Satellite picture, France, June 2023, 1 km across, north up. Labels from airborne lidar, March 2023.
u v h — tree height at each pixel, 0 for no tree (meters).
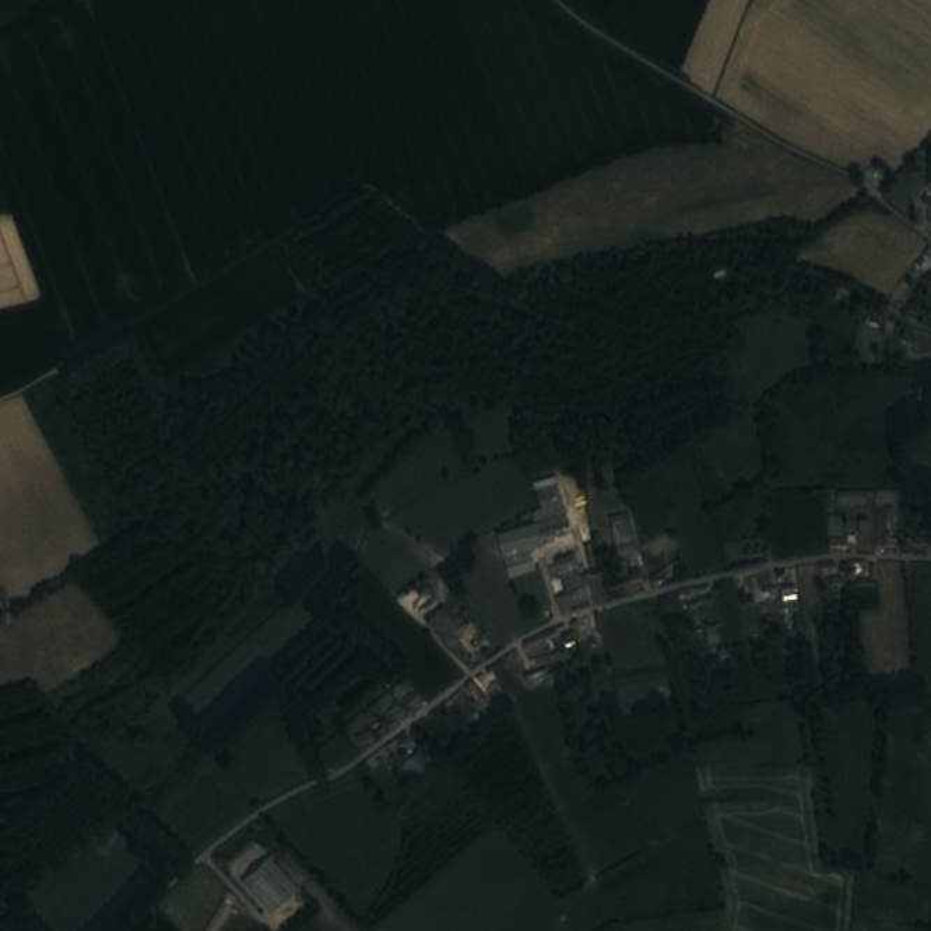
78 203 0
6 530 0
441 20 0
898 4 0
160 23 0
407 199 0
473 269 25
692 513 0
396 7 0
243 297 0
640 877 0
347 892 0
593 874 0
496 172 0
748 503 0
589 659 0
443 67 0
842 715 0
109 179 0
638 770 18
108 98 0
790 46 0
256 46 0
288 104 0
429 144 0
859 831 0
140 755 0
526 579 0
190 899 0
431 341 22
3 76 0
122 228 0
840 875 0
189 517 27
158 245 0
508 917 0
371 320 21
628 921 0
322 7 0
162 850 28
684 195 0
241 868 0
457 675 0
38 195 0
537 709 0
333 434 28
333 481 32
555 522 0
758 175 0
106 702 8
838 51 0
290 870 0
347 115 0
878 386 0
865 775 0
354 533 0
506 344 16
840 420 0
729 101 0
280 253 0
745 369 0
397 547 0
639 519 0
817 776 0
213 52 0
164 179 0
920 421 36
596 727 12
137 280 0
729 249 10
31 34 0
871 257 0
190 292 0
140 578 16
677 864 0
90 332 0
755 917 0
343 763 0
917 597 0
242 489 27
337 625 22
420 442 15
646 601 0
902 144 0
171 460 27
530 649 0
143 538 11
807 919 0
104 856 0
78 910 0
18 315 0
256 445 28
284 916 0
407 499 0
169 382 0
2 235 0
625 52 0
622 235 0
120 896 0
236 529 31
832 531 0
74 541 0
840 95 0
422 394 22
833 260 0
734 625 0
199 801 0
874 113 0
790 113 0
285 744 0
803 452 0
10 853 16
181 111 0
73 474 0
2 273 0
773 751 0
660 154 0
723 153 0
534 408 26
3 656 0
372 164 0
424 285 23
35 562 0
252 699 40
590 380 15
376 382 25
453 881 0
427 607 0
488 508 0
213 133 0
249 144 0
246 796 0
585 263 9
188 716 36
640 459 19
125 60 0
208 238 0
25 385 0
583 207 0
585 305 14
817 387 0
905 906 0
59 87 0
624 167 0
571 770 0
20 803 35
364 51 0
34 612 0
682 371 16
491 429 0
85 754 33
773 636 20
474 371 18
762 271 9
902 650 0
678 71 0
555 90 0
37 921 34
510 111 0
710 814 0
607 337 17
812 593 0
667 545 0
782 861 0
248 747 0
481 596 0
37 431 0
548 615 0
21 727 15
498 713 17
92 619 0
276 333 24
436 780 0
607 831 0
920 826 0
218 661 0
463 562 18
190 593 17
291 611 0
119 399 14
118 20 0
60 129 0
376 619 0
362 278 18
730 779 0
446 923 0
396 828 0
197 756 0
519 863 0
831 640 17
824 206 0
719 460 0
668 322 18
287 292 0
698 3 0
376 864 0
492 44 0
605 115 0
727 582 0
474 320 14
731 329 26
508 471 0
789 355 0
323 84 0
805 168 0
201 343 0
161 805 0
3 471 0
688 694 0
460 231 0
